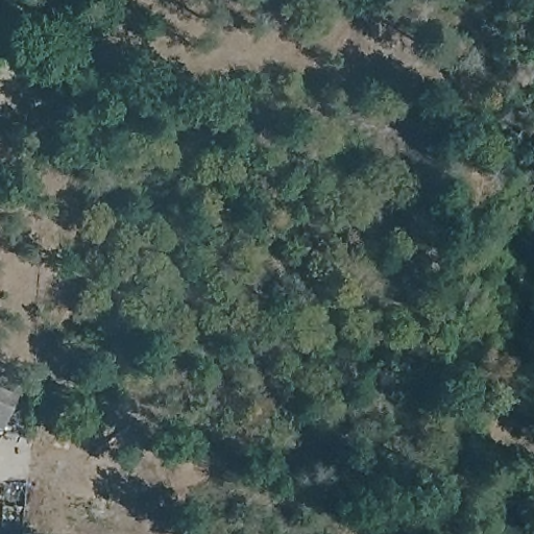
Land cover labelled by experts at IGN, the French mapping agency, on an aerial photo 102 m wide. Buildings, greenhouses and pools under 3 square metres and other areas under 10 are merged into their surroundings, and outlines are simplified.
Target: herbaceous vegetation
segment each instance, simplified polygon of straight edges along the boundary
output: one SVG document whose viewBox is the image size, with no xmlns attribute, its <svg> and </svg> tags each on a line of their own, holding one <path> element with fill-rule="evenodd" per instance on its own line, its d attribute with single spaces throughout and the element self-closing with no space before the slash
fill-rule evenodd
<svg viewBox="0 0 534 534">
<path fill-rule="evenodd" d="M 492 486 L 494 474 L 501 474 L 503 467 L 509 467 L 511 463 L 519 463 L 528 453 L 521 446 L 496 442 L 490 436 L 482 436 L 478 432 L 461 432 L 455 476 L 459 476 L 459 484 L 465 482 L 469 486 L 476 486 L 478 490 Z"/>
<path fill-rule="evenodd" d="M 146 129 L 154 127 L 156 117 L 142 117 L 142 111 L 134 106 L 125 115 L 125 123 L 131 127 L 131 131 L 146 134 Z"/>
<path fill-rule="evenodd" d="M 511 294 L 517 300 L 517 311 L 511 323 L 513 336 L 505 342 L 509 355 L 517 359 L 517 371 L 521 375 L 528 375 L 528 386 L 524 390 L 526 398 L 513 405 L 511 411 L 499 419 L 499 426 L 507 430 L 511 436 L 524 436 L 534 442 L 534 229 L 519 229 L 511 240 L 511 252 L 515 261 L 524 265 L 524 282 Z"/>
<path fill-rule="evenodd" d="M 248 115 L 248 121 L 252 123 L 254 131 L 269 140 L 277 136 L 290 136 L 294 129 L 294 108 L 269 108 L 267 102 L 261 100 L 259 106 Z"/>
<path fill-rule="evenodd" d="M 290 288 L 282 288 L 282 277 L 273 269 L 263 275 L 261 284 L 248 286 L 244 290 L 248 302 L 259 302 L 259 309 L 263 311 L 280 307 L 290 298 Z"/>
<path fill-rule="evenodd" d="M 15 313 L 21 319 L 21 330 L 15 332 L 10 338 L 6 338 L 0 332 L 0 386 L 10 390 L 19 384 L 19 361 L 29 363 L 33 357 L 38 357 L 52 369 L 50 378 L 44 382 L 42 403 L 35 409 L 35 417 L 42 428 L 35 432 L 33 438 L 25 438 L 31 446 L 29 476 L 25 480 L 10 478 L 0 482 L 0 534 L 165 534 L 173 521 L 179 521 L 184 509 L 179 503 L 186 496 L 192 496 L 194 501 L 209 499 L 209 503 L 213 505 L 211 515 L 215 519 L 238 517 L 238 505 L 246 501 L 263 505 L 265 509 L 277 507 L 277 513 L 282 515 L 286 526 L 302 526 L 305 507 L 315 509 L 317 513 L 336 515 L 342 505 L 357 501 L 355 496 L 361 486 L 371 488 L 373 484 L 380 484 L 384 478 L 390 478 L 407 488 L 417 486 L 417 482 L 421 480 L 421 465 L 413 463 L 396 448 L 386 448 L 378 438 L 373 442 L 375 465 L 369 471 L 353 469 L 350 455 L 357 455 L 357 432 L 355 423 L 350 421 L 353 415 L 344 415 L 332 428 L 309 426 L 302 430 L 300 438 L 296 440 L 296 446 L 290 448 L 286 457 L 288 467 L 292 471 L 294 501 L 273 505 L 269 494 L 257 492 L 240 484 L 240 478 L 252 471 L 252 463 L 246 457 L 250 436 L 246 432 L 236 432 L 234 438 L 227 438 L 227 434 L 221 432 L 221 421 L 225 419 L 225 413 L 229 409 L 234 411 L 234 421 L 242 421 L 254 405 L 252 392 L 246 396 L 238 394 L 238 388 L 242 386 L 242 369 L 227 369 L 221 375 L 221 384 L 215 390 L 192 388 L 190 380 L 194 380 L 196 355 L 192 353 L 177 355 L 177 371 L 173 375 L 125 375 L 123 390 L 111 386 L 102 392 L 96 392 L 96 407 L 102 411 L 102 421 L 98 426 L 96 438 L 90 438 L 81 446 L 56 440 L 52 432 L 56 428 L 58 415 L 69 405 L 69 390 L 75 384 L 71 382 L 71 375 L 77 373 L 77 369 L 88 371 L 92 365 L 90 353 L 86 348 L 65 346 L 63 340 L 86 332 L 94 332 L 100 340 L 100 346 L 117 357 L 125 344 L 131 344 L 136 340 L 152 344 L 154 332 L 142 330 L 134 321 L 134 317 L 123 317 L 121 302 L 115 302 L 104 313 L 98 313 L 96 319 L 77 323 L 75 319 L 79 313 L 81 294 L 88 290 L 88 284 L 81 277 L 54 282 L 52 269 L 44 265 L 52 248 L 71 248 L 75 238 L 83 238 L 81 221 L 86 211 L 86 194 L 75 188 L 67 188 L 69 175 L 60 175 L 50 169 L 48 173 L 44 173 L 42 179 L 46 194 L 56 194 L 56 221 L 52 221 L 48 215 L 40 219 L 35 217 L 29 223 L 29 232 L 23 232 L 23 238 L 17 244 L 10 244 L 8 236 L 0 234 L 0 323 L 6 319 L 8 313 Z M 202 474 L 194 463 L 161 461 L 154 453 L 150 453 L 150 448 L 165 434 L 179 436 L 179 426 L 171 426 L 169 421 L 175 417 L 186 419 L 188 426 L 196 423 L 198 432 L 207 438 L 211 446 L 207 459 L 207 474 Z M 117 461 L 127 446 L 138 446 L 146 451 L 142 459 L 136 463 L 134 471 L 129 471 L 125 465 Z"/>
<path fill-rule="evenodd" d="M 261 215 L 267 211 L 267 202 L 263 202 L 263 198 L 248 198 L 248 190 L 240 186 L 238 198 L 223 200 L 221 223 L 225 227 L 229 223 L 248 219 L 250 213 Z"/>
<path fill-rule="evenodd" d="M 63 123 L 67 121 L 69 98 L 73 94 L 58 94 L 52 86 L 29 86 L 27 79 L 13 77 L 8 65 L 0 65 L 0 136 L 6 138 L 10 134 L 23 134 L 25 138 L 29 138 L 35 131 L 35 136 L 42 140 L 60 134 Z"/>
<path fill-rule="evenodd" d="M 415 451 L 421 451 L 430 444 L 432 438 L 432 428 L 426 428 L 426 421 L 430 413 L 438 409 L 442 398 L 446 396 L 446 382 L 461 380 L 465 371 L 461 367 L 453 367 L 453 363 L 446 363 L 440 355 L 430 355 L 421 348 L 407 348 L 403 350 L 398 371 L 398 384 L 405 392 L 405 407 L 396 415 L 396 423 L 401 426 L 398 432 L 409 438 L 409 444 Z"/>
<path fill-rule="evenodd" d="M 257 367 L 261 371 L 267 396 L 280 409 L 280 417 L 288 421 L 292 419 L 292 415 L 300 415 L 307 409 L 307 405 L 311 405 L 311 394 L 300 390 L 288 392 L 286 382 L 277 380 L 277 363 L 282 355 L 275 346 L 257 359 Z"/>
<path fill-rule="evenodd" d="M 440 194 L 446 194 L 455 186 L 453 177 L 461 177 L 471 186 L 476 207 L 480 207 L 480 202 L 486 196 L 499 192 L 503 186 L 503 177 L 499 175 L 482 175 L 461 163 L 453 163 L 448 167 L 446 146 L 451 129 L 455 125 L 442 117 L 423 117 L 419 96 L 436 86 L 434 79 L 442 79 L 442 73 L 430 63 L 434 58 L 434 48 L 442 42 L 440 21 L 430 19 L 430 15 L 436 8 L 430 0 L 426 0 L 419 6 L 419 10 L 409 10 L 405 17 L 394 19 L 388 0 L 373 0 L 375 4 L 365 17 L 355 21 L 348 21 L 344 17 L 336 19 L 332 31 L 323 38 L 323 42 L 319 46 L 305 48 L 305 52 L 298 52 L 292 42 L 282 40 L 280 31 L 267 31 L 259 38 L 250 31 L 244 31 L 248 27 L 248 21 L 242 17 L 242 13 L 234 10 L 229 17 L 234 21 L 236 31 L 219 31 L 217 48 L 213 48 L 211 52 L 200 52 L 188 50 L 192 38 L 204 35 L 204 23 L 198 21 L 200 10 L 190 8 L 194 0 L 123 0 L 127 4 L 123 31 L 108 35 L 104 42 L 98 42 L 94 46 L 96 71 L 113 75 L 131 73 L 131 65 L 138 58 L 134 46 L 148 42 L 144 33 L 146 27 L 154 23 L 154 15 L 163 15 L 169 23 L 165 27 L 165 35 L 154 38 L 152 48 L 163 58 L 177 56 L 171 63 L 173 75 L 179 77 L 186 86 L 192 86 L 200 92 L 207 90 L 209 77 L 204 73 L 209 71 L 229 73 L 234 79 L 238 79 L 244 77 L 248 69 L 263 69 L 271 79 L 280 75 L 290 75 L 290 69 L 302 69 L 305 90 L 319 104 L 319 113 L 323 117 L 334 117 L 332 104 L 340 90 L 344 90 L 346 96 L 350 94 L 355 98 L 361 98 L 363 90 L 369 90 L 371 81 L 380 81 L 407 102 L 409 111 L 405 119 L 394 121 L 392 127 L 384 121 L 382 115 L 365 117 L 361 121 L 359 129 L 365 129 L 367 138 L 375 138 L 375 146 L 346 148 L 325 159 L 330 169 L 338 175 L 338 188 L 346 186 L 348 177 L 361 177 L 367 165 L 373 163 L 378 167 L 386 167 L 390 163 L 405 161 L 411 173 L 419 179 L 417 198 L 413 198 L 407 207 L 388 200 L 382 209 L 382 219 L 375 219 L 367 229 L 361 232 L 365 248 L 369 244 L 394 236 L 396 227 L 407 232 L 407 236 L 415 244 L 415 254 L 409 261 L 405 261 L 398 273 L 388 277 L 384 290 L 363 300 L 369 311 L 378 313 L 388 309 L 392 313 L 413 309 L 419 307 L 421 298 L 426 298 L 426 271 L 432 263 L 442 261 L 448 248 L 451 225 L 446 219 L 446 202 L 440 200 Z"/>
<path fill-rule="evenodd" d="M 181 161 L 177 169 L 188 177 L 198 175 L 194 171 L 194 165 L 211 144 L 211 127 L 200 125 L 198 129 L 188 129 L 177 136 Z"/>
<path fill-rule="evenodd" d="M 467 8 L 461 13 L 459 31 L 474 38 L 476 48 L 482 54 L 484 67 L 478 71 L 455 71 L 453 88 L 461 96 L 461 104 L 474 115 L 482 115 L 482 102 L 496 81 L 513 79 L 517 75 L 517 65 L 511 58 L 511 46 L 503 46 L 503 40 L 507 38 L 507 0 L 465 0 Z"/>
</svg>

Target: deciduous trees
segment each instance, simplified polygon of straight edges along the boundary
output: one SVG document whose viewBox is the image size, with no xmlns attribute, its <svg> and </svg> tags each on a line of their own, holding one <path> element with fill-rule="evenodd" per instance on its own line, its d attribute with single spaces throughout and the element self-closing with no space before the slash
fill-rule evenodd
<svg viewBox="0 0 534 534">
<path fill-rule="evenodd" d="M 419 6 L 426 0 L 388 0 L 394 19 L 405 17 L 409 10 L 419 10 Z"/>
<path fill-rule="evenodd" d="M 33 438 L 35 432 L 42 428 L 35 417 L 35 409 L 42 403 L 44 382 L 50 378 L 52 369 L 38 357 L 33 357 L 29 363 L 19 361 L 19 384 L 10 390 L 19 398 L 29 396 L 25 438 Z"/>
<path fill-rule="evenodd" d="M 202 474 L 207 474 L 207 459 L 211 446 L 207 438 L 198 432 L 196 423 L 188 426 L 186 419 L 175 417 L 169 421 L 171 426 L 179 426 L 179 436 L 165 434 L 150 448 L 150 453 L 154 453 L 161 461 L 194 463 Z"/>
<path fill-rule="evenodd" d="M 179 503 L 184 509 L 179 521 L 173 521 L 165 534 L 534 534 L 534 442 L 524 436 L 511 436 L 507 430 L 499 426 L 499 419 L 511 411 L 513 405 L 526 398 L 524 390 L 528 386 L 528 375 L 521 375 L 517 371 L 517 359 L 509 355 L 505 342 L 513 336 L 511 323 L 517 311 L 517 300 L 511 294 L 524 282 L 524 265 L 515 261 L 511 252 L 511 240 L 519 229 L 534 229 L 534 0 L 507 0 L 507 38 L 503 40 L 503 46 L 511 46 L 511 58 L 517 65 L 517 75 L 513 79 L 496 81 L 482 102 L 482 115 L 474 115 L 461 104 L 461 96 L 453 88 L 455 71 L 478 71 L 484 67 L 482 54 L 476 48 L 474 38 L 459 31 L 461 13 L 467 8 L 465 0 L 430 0 L 436 8 L 430 15 L 430 19 L 440 21 L 442 42 L 434 48 L 434 58 L 430 63 L 442 73 L 442 79 L 434 79 L 436 86 L 419 96 L 423 117 L 442 117 L 455 125 L 451 129 L 446 146 L 448 167 L 453 163 L 461 163 L 482 175 L 499 175 L 503 177 L 503 186 L 499 192 L 486 196 L 480 202 L 480 207 L 476 207 L 471 186 L 461 177 L 453 177 L 455 186 L 446 194 L 440 194 L 440 200 L 446 202 L 446 219 L 451 225 L 448 248 L 442 261 L 432 263 L 426 271 L 426 298 L 421 298 L 419 307 L 413 309 L 392 313 L 388 309 L 378 313 L 369 311 L 363 300 L 384 290 L 388 277 L 398 273 L 405 261 L 409 261 L 415 254 L 415 244 L 407 236 L 407 232 L 396 227 L 394 236 L 369 244 L 365 248 L 361 232 L 367 229 L 375 219 L 382 219 L 382 209 L 388 200 L 407 207 L 413 198 L 417 198 L 419 179 L 411 173 L 405 161 L 390 163 L 386 167 L 378 167 L 373 163 L 367 165 L 361 177 L 348 177 L 346 186 L 338 188 L 338 175 L 330 169 L 325 159 L 346 148 L 375 146 L 375 138 L 367 138 L 365 129 L 359 129 L 361 121 L 365 117 L 382 115 L 384 121 L 392 127 L 394 121 L 405 119 L 409 111 L 407 102 L 380 81 L 371 81 L 369 90 L 363 90 L 361 98 L 355 98 L 350 94 L 346 96 L 344 90 L 340 90 L 332 104 L 334 117 L 323 117 L 319 113 L 319 104 L 305 90 L 302 69 L 290 69 L 290 75 L 280 75 L 271 79 L 263 69 L 248 69 L 244 77 L 238 79 L 234 79 L 229 73 L 209 71 L 204 73 L 209 77 L 207 90 L 200 92 L 192 86 L 186 86 L 179 77 L 173 75 L 171 63 L 177 56 L 163 58 L 152 48 L 154 38 L 165 35 L 165 27 L 169 23 L 163 15 L 154 15 L 154 23 L 146 27 L 144 33 L 148 42 L 134 46 L 138 58 L 131 65 L 131 73 L 113 75 L 96 71 L 94 46 L 98 42 L 104 42 L 108 35 L 123 31 L 127 4 L 123 0 L 15 0 L 19 4 L 19 13 L 23 15 L 23 23 L 19 29 L 13 31 L 10 50 L 0 58 L 0 65 L 8 65 L 13 77 L 27 79 L 29 86 L 52 86 L 58 94 L 73 94 L 69 98 L 67 121 L 63 123 L 60 134 L 42 140 L 35 136 L 35 131 L 29 138 L 25 138 L 23 134 L 10 134 L 6 138 L 0 136 L 0 234 L 8 236 L 10 244 L 17 244 L 23 238 L 23 232 L 29 232 L 29 223 L 35 217 L 40 219 L 48 215 L 52 221 L 56 221 L 56 194 L 46 194 L 42 179 L 44 173 L 48 173 L 50 169 L 60 175 L 69 175 L 67 188 L 75 188 L 86 194 L 86 211 L 81 221 L 83 238 L 75 238 L 71 248 L 52 248 L 44 265 L 52 269 L 54 282 L 81 277 L 88 284 L 88 290 L 81 294 L 79 313 L 75 319 L 77 323 L 96 319 L 98 313 L 104 313 L 115 302 L 121 302 L 123 317 L 134 317 L 134 321 L 142 330 L 154 332 L 152 344 L 136 340 L 131 344 L 125 344 L 117 357 L 100 346 L 100 340 L 94 332 L 86 332 L 63 340 L 65 346 L 86 348 L 90 353 L 92 365 L 88 371 L 77 369 L 77 373 L 71 375 L 71 382 L 75 384 L 69 390 L 69 405 L 58 415 L 56 428 L 52 432 L 56 440 L 81 446 L 90 438 L 96 438 L 98 426 L 102 421 L 102 411 L 96 407 L 96 392 L 102 392 L 111 386 L 123 390 L 125 375 L 173 375 L 177 371 L 177 355 L 192 353 L 196 355 L 194 380 L 190 380 L 192 388 L 215 390 L 221 384 L 221 375 L 227 369 L 242 369 L 242 386 L 238 388 L 238 394 L 246 396 L 252 392 L 254 405 L 242 421 L 234 421 L 234 411 L 229 409 L 225 413 L 225 419 L 221 421 L 221 432 L 227 434 L 227 438 L 234 438 L 236 432 L 246 432 L 250 436 L 246 457 L 252 463 L 252 471 L 240 478 L 240 484 L 257 492 L 269 494 L 273 505 L 294 501 L 292 471 L 288 467 L 286 457 L 290 448 L 296 446 L 296 440 L 300 438 L 302 430 L 309 426 L 332 428 L 344 415 L 353 415 L 350 421 L 355 423 L 357 432 L 357 455 L 350 455 L 353 469 L 369 471 L 375 465 L 373 442 L 378 438 L 386 448 L 396 448 L 413 463 L 421 465 L 421 480 L 417 482 L 417 486 L 407 488 L 390 478 L 384 478 L 380 484 L 373 484 L 371 488 L 361 486 L 355 496 L 357 501 L 342 505 L 336 515 L 317 513 L 315 509 L 305 507 L 302 526 L 286 526 L 282 515 L 277 513 L 277 507 L 265 509 L 263 505 L 246 501 L 238 505 L 238 517 L 215 519 L 211 515 L 213 505 L 209 503 L 209 499 L 194 501 L 192 496 L 186 496 Z M 294 108 L 294 129 L 290 136 L 277 136 L 269 140 L 254 131 L 252 123 L 248 121 L 248 115 L 259 106 L 261 100 L 267 102 L 269 108 Z M 131 131 L 131 127 L 125 123 L 125 115 L 134 106 L 142 111 L 142 117 L 156 117 L 154 127 L 146 129 L 146 134 Z M 211 127 L 211 144 L 194 165 L 194 171 L 198 175 L 188 177 L 177 169 L 181 161 L 177 136 L 188 129 L 198 129 L 200 125 Z M 248 219 L 229 223 L 225 227 L 221 223 L 223 200 L 238 198 L 240 186 L 248 190 L 248 198 L 263 198 L 263 202 L 267 202 L 267 211 L 261 215 L 250 213 Z M 280 307 L 263 311 L 259 309 L 259 302 L 248 302 L 244 290 L 248 286 L 261 284 L 263 275 L 273 269 L 282 277 L 282 288 L 290 288 L 290 298 Z M 280 409 L 267 396 L 261 371 L 257 367 L 257 359 L 275 346 L 282 355 L 277 363 L 277 380 L 286 382 L 288 392 L 300 390 L 311 394 L 311 405 L 307 405 L 307 409 L 300 415 L 292 415 L 292 419 L 288 421 L 280 417 Z M 438 409 L 430 413 L 426 421 L 426 428 L 432 428 L 432 438 L 430 444 L 421 451 L 415 451 L 409 444 L 409 438 L 398 432 L 401 426 L 396 423 L 396 415 L 405 407 L 405 392 L 398 384 L 398 371 L 403 350 L 407 348 L 421 348 L 430 355 L 440 355 L 446 363 L 453 363 L 453 367 L 461 367 L 465 371 L 461 380 L 446 382 L 446 396 L 442 398 Z M 482 436 L 490 436 L 496 442 L 521 446 L 528 453 L 519 463 L 511 463 L 509 467 L 503 467 L 501 474 L 494 474 L 492 486 L 478 490 L 476 486 L 469 486 L 465 482 L 459 484 L 459 476 L 455 476 L 461 432 L 478 432 Z"/>
<path fill-rule="evenodd" d="M 280 31 L 282 40 L 292 42 L 298 52 L 305 52 L 305 48 L 319 46 L 323 42 L 323 38 L 332 31 L 336 19 L 344 17 L 348 21 L 355 21 L 365 17 L 375 4 L 373 0 L 194 0 L 190 8 L 200 10 L 198 21 L 204 23 L 204 35 L 192 38 L 188 50 L 200 52 L 211 52 L 213 48 L 217 48 L 219 31 L 236 31 L 234 21 L 229 17 L 234 10 L 242 13 L 242 17 L 248 21 L 248 27 L 244 31 L 250 31 L 259 38 L 267 31 Z"/>
<path fill-rule="evenodd" d="M 10 338 L 15 332 L 21 330 L 21 319 L 15 313 L 8 313 L 6 319 L 0 323 L 0 332 L 6 338 Z"/>
<path fill-rule="evenodd" d="M 142 459 L 146 451 L 138 446 L 127 446 L 117 461 L 125 465 L 129 471 L 134 471 L 136 463 Z"/>
</svg>

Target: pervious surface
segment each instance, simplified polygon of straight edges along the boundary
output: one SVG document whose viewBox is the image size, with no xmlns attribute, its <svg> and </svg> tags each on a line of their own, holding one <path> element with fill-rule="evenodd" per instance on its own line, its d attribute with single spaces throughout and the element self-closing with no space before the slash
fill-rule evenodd
<svg viewBox="0 0 534 534">
<path fill-rule="evenodd" d="M 0 482 L 10 478 L 25 480 L 29 476 L 31 446 L 25 438 L 29 396 L 19 398 L 15 415 L 10 417 L 10 426 L 6 421 L 0 423 Z"/>
</svg>

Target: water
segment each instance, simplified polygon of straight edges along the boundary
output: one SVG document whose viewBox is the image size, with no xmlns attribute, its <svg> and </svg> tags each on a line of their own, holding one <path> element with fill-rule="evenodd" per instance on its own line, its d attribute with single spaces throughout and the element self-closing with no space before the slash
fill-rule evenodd
<svg viewBox="0 0 534 534">
<path fill-rule="evenodd" d="M 15 0 L 0 0 L 0 58 L 10 50 L 13 31 L 19 29 L 23 23 L 23 15 L 19 13 L 19 4 Z"/>
</svg>

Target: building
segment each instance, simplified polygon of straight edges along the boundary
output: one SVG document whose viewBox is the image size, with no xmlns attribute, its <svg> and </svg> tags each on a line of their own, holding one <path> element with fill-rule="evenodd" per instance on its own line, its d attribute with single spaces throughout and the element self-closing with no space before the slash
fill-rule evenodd
<svg viewBox="0 0 534 534">
<path fill-rule="evenodd" d="M 0 386 L 0 423 L 6 421 L 10 426 L 10 417 L 15 415 L 19 398 L 10 390 Z"/>
</svg>

